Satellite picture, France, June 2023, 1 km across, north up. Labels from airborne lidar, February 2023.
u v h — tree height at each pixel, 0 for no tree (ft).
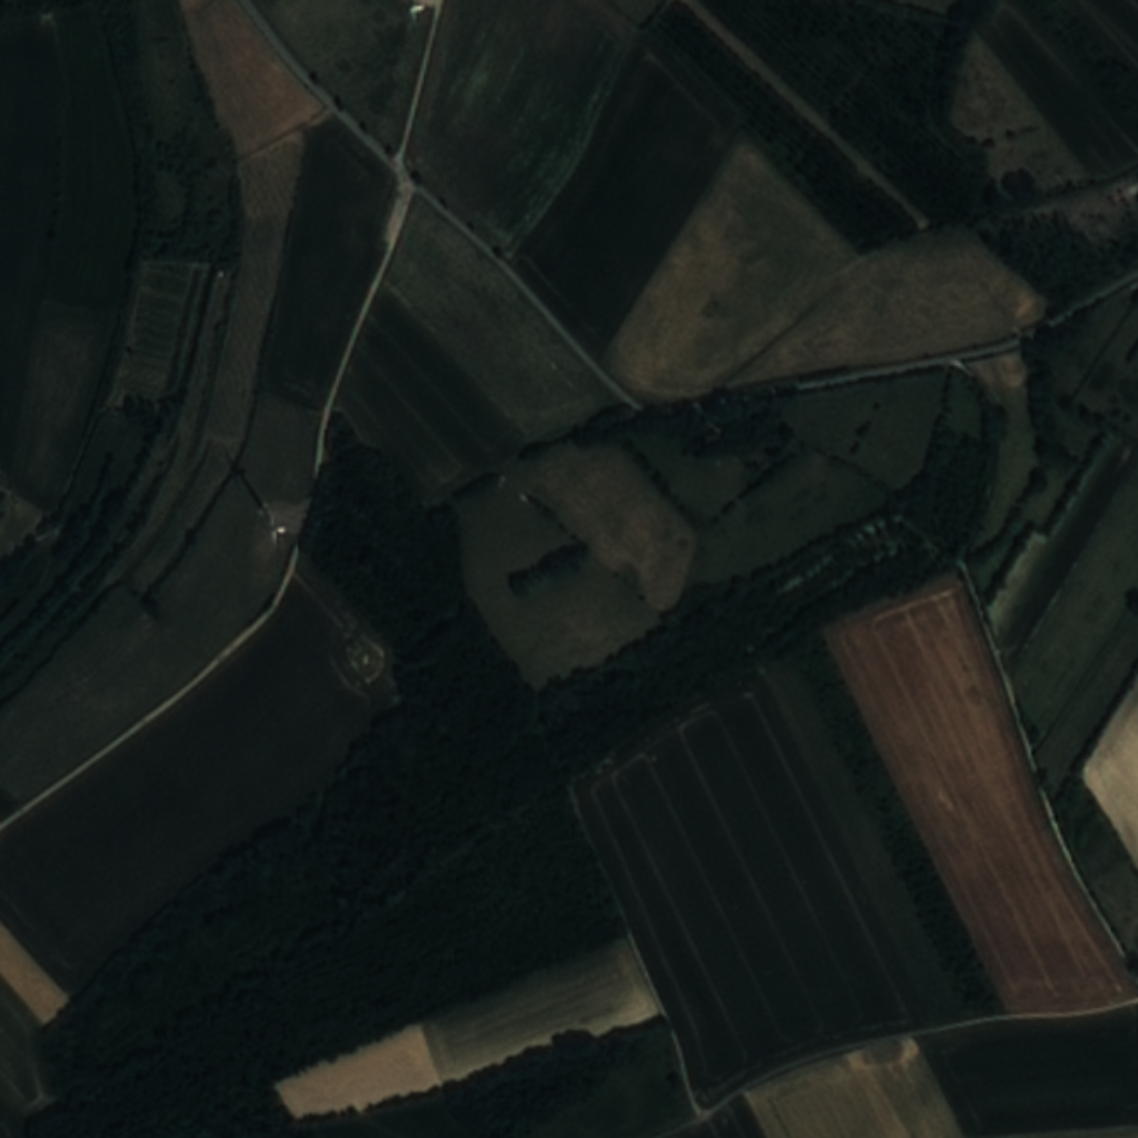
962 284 0
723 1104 0
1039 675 0
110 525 40
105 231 0
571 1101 35
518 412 0
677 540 0
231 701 0
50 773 0
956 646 0
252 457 0
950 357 0
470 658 59
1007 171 0
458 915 41
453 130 0
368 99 0
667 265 0
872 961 0
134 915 0
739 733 0
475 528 0
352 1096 0
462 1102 65
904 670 0
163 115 0
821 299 0
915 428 0
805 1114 0
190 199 23
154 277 0
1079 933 0
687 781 0
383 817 35
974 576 22
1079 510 0
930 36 30
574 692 68
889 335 0
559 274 0
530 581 47
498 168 0
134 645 0
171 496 0
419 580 49
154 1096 77
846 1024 0
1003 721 0
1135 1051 0
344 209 0
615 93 0
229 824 0
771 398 61
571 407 0
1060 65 0
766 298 0
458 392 0
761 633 18
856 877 0
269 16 0
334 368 0
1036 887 0
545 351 0
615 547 0
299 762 0
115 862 0
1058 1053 0
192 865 0
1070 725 0
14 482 0
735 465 0
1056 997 0
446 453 0
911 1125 0
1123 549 0
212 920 60
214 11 0
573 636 0
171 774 0
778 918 0
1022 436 0
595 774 0
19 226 0
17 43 0
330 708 0
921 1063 0
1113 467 0
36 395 0
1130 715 0
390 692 0
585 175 0
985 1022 0
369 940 50
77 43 0
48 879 0
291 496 0
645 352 0
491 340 0
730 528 0
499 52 0
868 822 0
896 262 0
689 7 21
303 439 0
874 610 0
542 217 0
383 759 53
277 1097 36
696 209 0
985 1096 0
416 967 62
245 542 0
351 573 39
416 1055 0
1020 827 0
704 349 0
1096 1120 0
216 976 25
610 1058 61
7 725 0
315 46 0
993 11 0
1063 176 0
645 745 0
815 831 0
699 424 60
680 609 18
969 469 26
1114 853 0
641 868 0
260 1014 56
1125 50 0
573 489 0
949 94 49
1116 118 0
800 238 0
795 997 0
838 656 0
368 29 0
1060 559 0
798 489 0
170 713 0
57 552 37
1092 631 0
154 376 0
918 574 42
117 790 0
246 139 0
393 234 0
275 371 0
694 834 0
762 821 0
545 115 0
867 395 0
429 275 0
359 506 63
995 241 56
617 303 0
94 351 0
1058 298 48
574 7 0
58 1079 24
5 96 0
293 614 0
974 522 28
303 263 0
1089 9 0
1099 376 0
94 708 0
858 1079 0
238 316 0
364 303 0
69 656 0
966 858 0
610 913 34
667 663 24
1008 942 0
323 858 65
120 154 0
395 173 0
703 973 0
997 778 0
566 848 37
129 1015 21
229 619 0
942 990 0
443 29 0
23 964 0
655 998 0
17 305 0
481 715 50
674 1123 0
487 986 50
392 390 0
